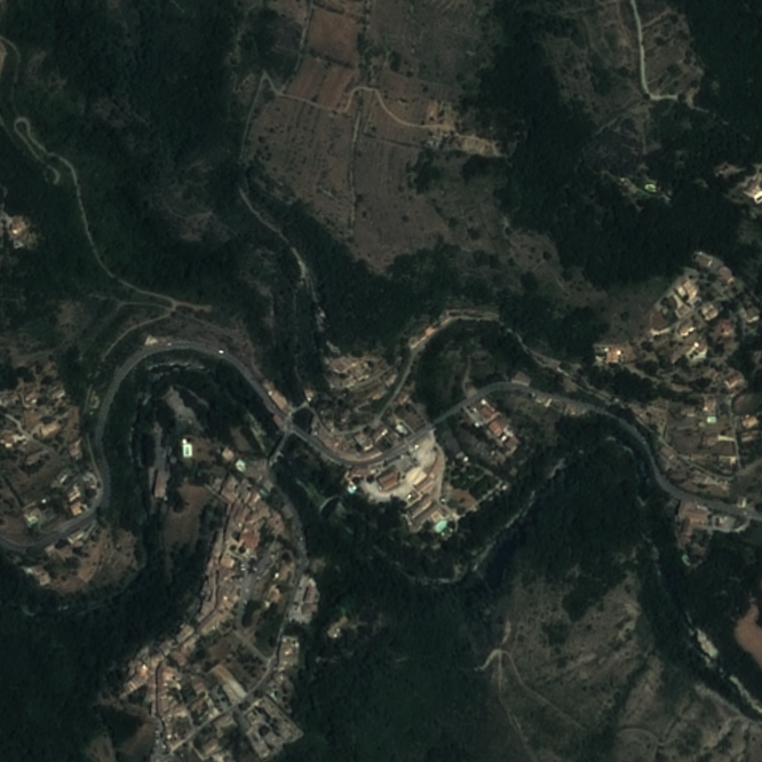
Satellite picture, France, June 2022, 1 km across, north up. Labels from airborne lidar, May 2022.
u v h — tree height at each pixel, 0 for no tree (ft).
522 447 38
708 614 27
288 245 18
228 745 25
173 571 34
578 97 24
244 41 25
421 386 17
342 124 0
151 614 71
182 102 41
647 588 43
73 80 37
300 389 24
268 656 0
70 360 32
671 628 65
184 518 0
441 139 0
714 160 59
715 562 48
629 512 39
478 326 63
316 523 57
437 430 48
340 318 45
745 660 45
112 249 23
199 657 31
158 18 25
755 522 26
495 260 34
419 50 0
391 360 45
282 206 23
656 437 36
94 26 38
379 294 39
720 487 0
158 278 32
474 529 93
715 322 37
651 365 27
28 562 30
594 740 26
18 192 42
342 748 25
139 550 37
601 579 27
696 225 52
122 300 18
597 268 53
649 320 0
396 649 32
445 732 28
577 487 75
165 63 35
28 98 18
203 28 31
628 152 39
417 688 24
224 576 0
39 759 58
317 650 45
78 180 23
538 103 39
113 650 63
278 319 20
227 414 41
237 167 30
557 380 35
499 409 20
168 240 28
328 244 24
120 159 39
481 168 24
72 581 0
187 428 48
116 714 35
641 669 22
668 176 35
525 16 38
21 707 31
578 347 52
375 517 24
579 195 59
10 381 30
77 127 31
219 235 20
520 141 34
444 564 50
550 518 43
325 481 52
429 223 0
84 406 28
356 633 44
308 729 21
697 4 41
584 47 0
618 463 32
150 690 0
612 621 0
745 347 30
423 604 39
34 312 43
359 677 28
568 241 43
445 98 0
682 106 28
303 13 0
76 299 28
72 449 0
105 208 31
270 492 23
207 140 24
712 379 25
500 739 0
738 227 24
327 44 0
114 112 35
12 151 24
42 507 32
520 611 0
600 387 48
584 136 37
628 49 0
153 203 19
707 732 0
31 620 51
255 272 42
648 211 47
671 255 38
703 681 30
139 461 0
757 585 45
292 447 29
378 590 75
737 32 36
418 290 37
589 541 22
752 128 44
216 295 26
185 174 24
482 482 29
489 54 22
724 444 0
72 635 25
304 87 0
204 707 0
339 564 25
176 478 30
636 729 0
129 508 45
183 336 21
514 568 122
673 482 31
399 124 0
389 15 0
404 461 0
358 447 24
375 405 25
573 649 0
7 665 55
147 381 23
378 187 0
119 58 30
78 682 41
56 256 33
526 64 44
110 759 0
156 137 28
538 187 36
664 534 21
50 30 53
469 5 0
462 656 27
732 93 23
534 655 0
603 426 67
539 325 45
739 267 20
